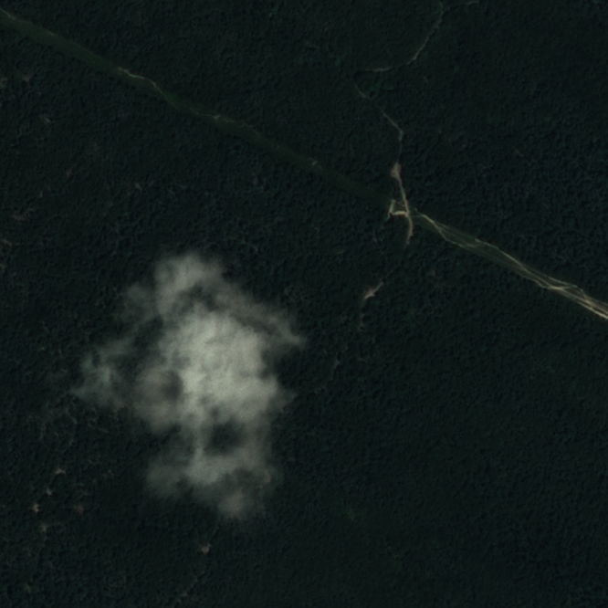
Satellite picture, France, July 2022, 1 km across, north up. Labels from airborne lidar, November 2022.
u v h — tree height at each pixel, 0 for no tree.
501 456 19
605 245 9
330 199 22
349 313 7
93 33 21
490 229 19
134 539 12
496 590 15
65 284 18
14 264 15
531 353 17
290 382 18
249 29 18
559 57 21
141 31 16
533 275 0
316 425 19
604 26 22
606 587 9
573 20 17
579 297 0
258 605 13
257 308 7
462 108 25
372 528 10
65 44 0
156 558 17
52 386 18
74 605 23
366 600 20
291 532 12
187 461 15
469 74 19
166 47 16
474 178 27
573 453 17
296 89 16
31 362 17
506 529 23
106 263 23
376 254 22
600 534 15
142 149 18
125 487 15
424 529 22
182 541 18
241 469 16
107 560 15
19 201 13
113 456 15
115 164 19
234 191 23
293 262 24
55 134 10
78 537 13
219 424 21
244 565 14
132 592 20
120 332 19
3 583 26
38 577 24
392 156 11
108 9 16
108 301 16
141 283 22
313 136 6
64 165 11
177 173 20
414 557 20
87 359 9
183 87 21
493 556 21
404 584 13
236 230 16
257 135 0
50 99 13
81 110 15
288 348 19
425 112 17
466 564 15
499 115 24
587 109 20
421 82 21
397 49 11
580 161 21
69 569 18
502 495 20
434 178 25
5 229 12
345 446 11
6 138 14
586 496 13
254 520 25
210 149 25
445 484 14
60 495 16
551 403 23
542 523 8
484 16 14
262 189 22
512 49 21
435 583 16
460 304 9
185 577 18
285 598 12
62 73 19
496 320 22
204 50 12
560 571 28
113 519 17
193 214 19
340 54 19
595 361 23
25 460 16
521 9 20
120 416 17
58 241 20
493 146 19
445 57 16
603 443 23
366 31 12
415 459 20
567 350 25
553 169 25
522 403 17
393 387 16
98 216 15
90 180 13
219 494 14
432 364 17
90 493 23
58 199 16
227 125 0
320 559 15
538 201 28
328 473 20
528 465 10
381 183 23
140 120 16
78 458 18
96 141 10
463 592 18
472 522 15
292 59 15
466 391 8
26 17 13
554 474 20
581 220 25
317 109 14
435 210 24
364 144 16
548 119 25
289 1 13
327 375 14
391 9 14
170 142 16
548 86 31
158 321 25
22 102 22
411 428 18
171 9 14
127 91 17
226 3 25
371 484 22
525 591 15
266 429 24
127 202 19
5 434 18
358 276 9
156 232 20
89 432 17
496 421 13
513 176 27
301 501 12
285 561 17
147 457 24
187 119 10
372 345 15
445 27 17
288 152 0
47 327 14
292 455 10
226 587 17
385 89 24
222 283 18
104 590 8
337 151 16
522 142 23
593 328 18
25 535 17
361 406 13
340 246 15
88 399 20
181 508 18
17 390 18
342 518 11
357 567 16
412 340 18
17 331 10
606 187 29
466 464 27
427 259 17
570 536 12
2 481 16
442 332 15
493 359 9
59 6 19
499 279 15
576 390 15
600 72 18
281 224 24
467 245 0
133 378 11
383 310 23
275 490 16
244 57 17
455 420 14
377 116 12
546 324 9
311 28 12
